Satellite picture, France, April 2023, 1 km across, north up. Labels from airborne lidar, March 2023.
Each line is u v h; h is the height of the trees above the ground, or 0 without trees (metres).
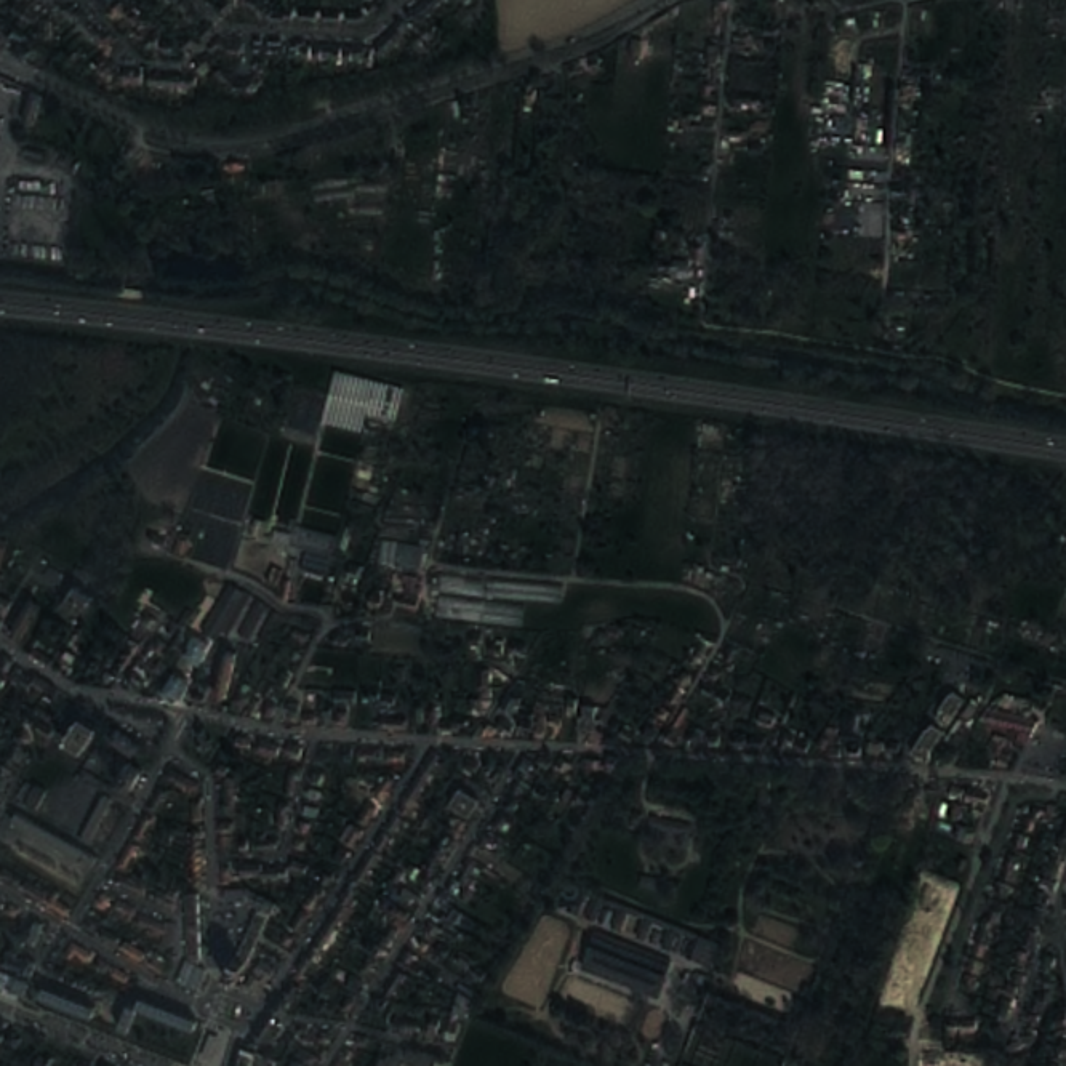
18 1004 0
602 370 0
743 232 0
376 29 0
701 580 0
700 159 6
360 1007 0
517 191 12
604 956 0
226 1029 0
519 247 24
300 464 0
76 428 0
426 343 0
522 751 0
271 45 0
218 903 0
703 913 8
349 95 14
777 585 0
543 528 6
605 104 0
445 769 9
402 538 0
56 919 0
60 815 0
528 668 0
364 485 0
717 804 20
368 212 0
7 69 0
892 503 21
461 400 0
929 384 0
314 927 0
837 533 17
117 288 13
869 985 22
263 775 6
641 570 0
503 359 0
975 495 29
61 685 0
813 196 0
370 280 14
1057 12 0
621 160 0
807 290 13
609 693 0
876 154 0
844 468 17
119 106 17
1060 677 0
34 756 10
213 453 0
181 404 0
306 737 0
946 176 6
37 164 0
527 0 0
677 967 0
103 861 0
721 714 0
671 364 0
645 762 18
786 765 20
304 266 16
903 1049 14
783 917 0
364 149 0
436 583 0
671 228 11
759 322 18
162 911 0
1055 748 0
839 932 20
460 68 13
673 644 0
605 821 7
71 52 10
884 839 18
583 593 0
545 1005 0
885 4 0
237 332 0
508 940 7
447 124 0
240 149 0
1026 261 0
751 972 0
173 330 0
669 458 0
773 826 16
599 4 0
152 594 0
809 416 0
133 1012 0
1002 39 9
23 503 8
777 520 22
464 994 0
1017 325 0
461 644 10
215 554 0
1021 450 0
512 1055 0
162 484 0
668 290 0
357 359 0
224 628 0
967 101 7
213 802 0
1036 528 22
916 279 0
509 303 21
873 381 12
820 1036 23
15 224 0
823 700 7
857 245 0
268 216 0
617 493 0
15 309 0
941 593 30
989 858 9
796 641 0
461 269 0
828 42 0
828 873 12
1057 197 0
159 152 0
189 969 0
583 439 0
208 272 22
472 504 0
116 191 17
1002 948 13
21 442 0
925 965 0
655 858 19
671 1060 15
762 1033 13
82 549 0
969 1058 0
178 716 0
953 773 0
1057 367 0
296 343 0
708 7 0
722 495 0
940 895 0
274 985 0
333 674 0
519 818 6
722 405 0
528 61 0
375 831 0
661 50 0
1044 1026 7
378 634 0
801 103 0
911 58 8
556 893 13
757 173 0
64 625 8
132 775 0
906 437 0
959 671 0
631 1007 0
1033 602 0
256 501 0
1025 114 0
